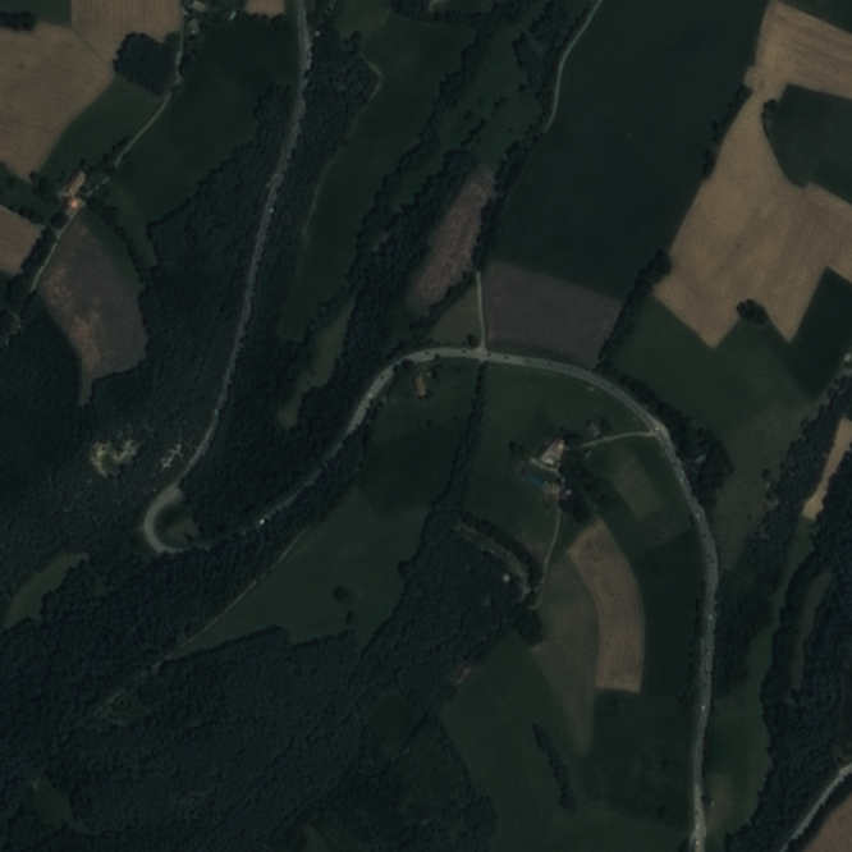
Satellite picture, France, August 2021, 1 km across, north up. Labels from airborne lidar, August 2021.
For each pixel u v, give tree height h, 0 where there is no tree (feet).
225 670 48
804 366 0
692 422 32
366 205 0
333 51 51
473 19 48
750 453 0
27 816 55
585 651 0
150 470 33
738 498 0
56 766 52
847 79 0
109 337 0
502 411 0
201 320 51
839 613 59
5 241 0
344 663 49
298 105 0
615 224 0
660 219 0
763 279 0
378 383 0
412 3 42
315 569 0
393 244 41
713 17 0
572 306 0
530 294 0
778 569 19
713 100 0
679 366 0
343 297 61
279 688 52
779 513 42
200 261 60
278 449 64
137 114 0
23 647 92
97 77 0
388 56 0
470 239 0
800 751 70
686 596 0
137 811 51
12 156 0
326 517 41
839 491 89
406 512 0
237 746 60
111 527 31
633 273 0
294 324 0
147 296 45
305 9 0
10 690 87
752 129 0
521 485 0
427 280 0
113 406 56
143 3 0
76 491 32
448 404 0
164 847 33
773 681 79
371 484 0
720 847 0
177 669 40
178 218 56
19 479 36
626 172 0
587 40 0
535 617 30
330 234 0
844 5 0
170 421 44
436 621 43
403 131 0
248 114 0
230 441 43
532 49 33
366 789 44
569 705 0
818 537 66
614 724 0
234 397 36
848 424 0
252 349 65
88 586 37
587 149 0
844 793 41
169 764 55
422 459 0
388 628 38
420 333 34
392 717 0
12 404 33
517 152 46
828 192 0
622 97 0
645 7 0
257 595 0
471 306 0
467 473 37
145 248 0
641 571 0
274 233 46
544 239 0
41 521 48
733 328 0
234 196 52
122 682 54
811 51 0
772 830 72
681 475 0
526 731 0
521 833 0
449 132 0
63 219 47
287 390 36
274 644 57
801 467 47
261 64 0
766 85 0
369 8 0
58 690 84
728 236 0
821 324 0
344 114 41
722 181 0
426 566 34
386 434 0
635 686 0
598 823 0
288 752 44
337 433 49
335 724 46
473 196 0
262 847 42
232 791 52
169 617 69
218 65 0
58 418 31
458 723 0
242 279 37
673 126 0
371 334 52
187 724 40
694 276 0
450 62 0
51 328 31
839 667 33
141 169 0
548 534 0
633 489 0
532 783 0
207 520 58
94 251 0
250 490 58
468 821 29
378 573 0
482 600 58
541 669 0
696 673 28
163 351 54
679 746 0
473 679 0
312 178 51
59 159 0
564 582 0
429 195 49
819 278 0
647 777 0
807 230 0
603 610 0
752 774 0
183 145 0
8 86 0
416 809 26
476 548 43
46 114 0
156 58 59
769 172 0
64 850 57
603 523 0
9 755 57
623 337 25
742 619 73
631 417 0
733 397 0
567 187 0
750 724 0
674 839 0
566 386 0
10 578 44
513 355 0
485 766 0
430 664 58
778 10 0
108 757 28
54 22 0
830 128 0
